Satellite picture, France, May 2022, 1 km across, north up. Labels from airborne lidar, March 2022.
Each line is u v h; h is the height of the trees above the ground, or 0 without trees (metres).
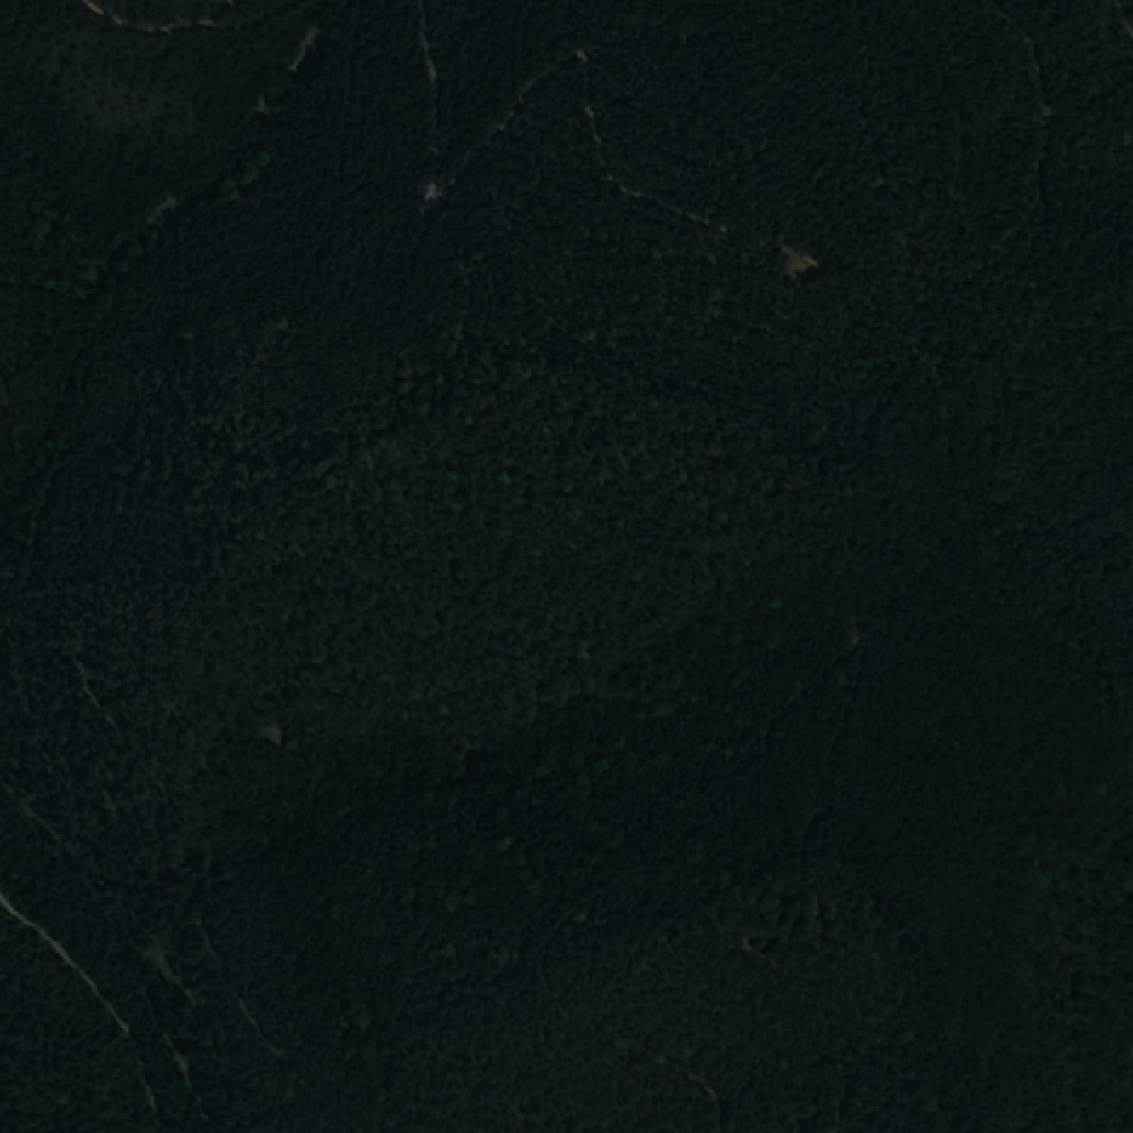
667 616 28
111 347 9
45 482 17
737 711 20
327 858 21
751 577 15
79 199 21
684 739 19
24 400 11
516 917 15
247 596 29
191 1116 31
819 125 26
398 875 19
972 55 22
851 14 18
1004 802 19
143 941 30
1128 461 19
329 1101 28
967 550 19
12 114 26
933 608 20
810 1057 24
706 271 20
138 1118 21
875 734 21
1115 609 19
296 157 20
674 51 20
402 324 16
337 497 27
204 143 11
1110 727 22
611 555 30
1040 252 25
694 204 16
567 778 24
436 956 13
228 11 18
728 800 20
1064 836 19
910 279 24
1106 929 32
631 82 21
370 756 18
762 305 16
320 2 15
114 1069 21
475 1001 15
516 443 28
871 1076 24
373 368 6
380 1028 16
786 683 19
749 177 23
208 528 29
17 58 15
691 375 11
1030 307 14
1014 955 19
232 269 20
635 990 19
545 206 17
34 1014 21
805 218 22
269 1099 30
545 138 18
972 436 15
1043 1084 19
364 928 11
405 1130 25
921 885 22
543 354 21
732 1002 23
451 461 9
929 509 19
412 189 13
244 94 19
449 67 13
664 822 22
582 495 26
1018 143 20
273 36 16
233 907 22
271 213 20
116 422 10
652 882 22
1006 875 21
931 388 19
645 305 18
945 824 22
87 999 18
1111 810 20
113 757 31
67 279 22
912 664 22
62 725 19
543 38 17
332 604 31
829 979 17
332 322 15
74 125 19
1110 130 16
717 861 21
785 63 20
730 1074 22
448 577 29
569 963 20
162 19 11
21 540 18
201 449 24
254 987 22
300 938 24
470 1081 13
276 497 28
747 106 24
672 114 24
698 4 18
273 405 6
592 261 19
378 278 16
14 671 26
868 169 24
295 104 20
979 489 21
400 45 17
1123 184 22
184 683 31
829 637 19
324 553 28
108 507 21
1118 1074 21
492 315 20
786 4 18
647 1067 24
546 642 27
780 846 22
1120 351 20
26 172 30
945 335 22
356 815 17
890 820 23
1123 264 23
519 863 19
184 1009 26
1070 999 19
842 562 15
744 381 16
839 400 19
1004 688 24
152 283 20
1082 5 22
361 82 18
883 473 20
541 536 30
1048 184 23
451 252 13
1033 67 16
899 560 17
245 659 35
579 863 20
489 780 25
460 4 20
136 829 33
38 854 19
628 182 16
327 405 10
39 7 9
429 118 12
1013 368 21
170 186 21
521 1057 21
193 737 32
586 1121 25
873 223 23
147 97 9
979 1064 20
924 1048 12
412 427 28
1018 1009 19
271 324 30
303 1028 18
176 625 25
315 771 20
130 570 7
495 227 21
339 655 33
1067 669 21
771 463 30
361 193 19
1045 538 17
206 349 6
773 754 19
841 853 26
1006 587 21
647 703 16
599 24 19
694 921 13
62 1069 28
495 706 30
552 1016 21
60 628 9
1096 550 25
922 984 18
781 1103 27
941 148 22
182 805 31
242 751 15
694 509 25
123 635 11
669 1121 21
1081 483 21
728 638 23
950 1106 16
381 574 23
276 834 27
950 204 26
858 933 22
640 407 30
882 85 26
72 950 27
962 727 23
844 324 18
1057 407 19
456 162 10
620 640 28
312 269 17
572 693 14
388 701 26
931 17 21
